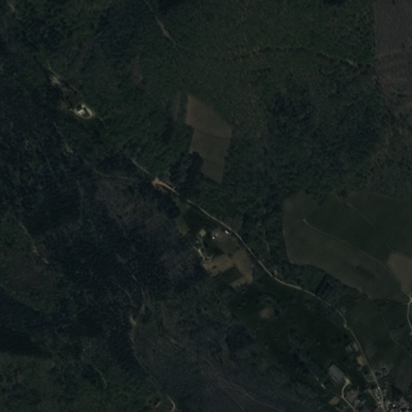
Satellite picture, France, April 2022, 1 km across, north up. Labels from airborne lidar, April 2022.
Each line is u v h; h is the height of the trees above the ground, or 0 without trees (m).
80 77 23
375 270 0
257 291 0
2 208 5
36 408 16
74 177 14
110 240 26
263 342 0
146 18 19
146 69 16
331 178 14
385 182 11
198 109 0
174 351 19
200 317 22
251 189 29
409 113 11
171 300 22
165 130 18
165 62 15
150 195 23
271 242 15
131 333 19
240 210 7
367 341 0
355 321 0
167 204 22
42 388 19
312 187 13
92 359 17
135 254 30
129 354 25
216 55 18
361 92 17
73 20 22
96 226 23
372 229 0
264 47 10
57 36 27
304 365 24
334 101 17
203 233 0
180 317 20
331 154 14
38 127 28
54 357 15
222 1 17
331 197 0
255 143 15
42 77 21
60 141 24
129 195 19
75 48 13
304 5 12
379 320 0
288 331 0
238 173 17
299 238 0
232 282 0
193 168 30
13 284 21
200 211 19
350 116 19
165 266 25
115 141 16
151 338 19
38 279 22
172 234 19
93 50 18
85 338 17
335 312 18
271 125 25
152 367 23
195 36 17
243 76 15
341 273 0
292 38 15
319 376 22
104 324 15
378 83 16
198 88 24
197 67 20
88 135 23
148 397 17
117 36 17
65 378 19
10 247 18
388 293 0
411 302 0
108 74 22
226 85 11
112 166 29
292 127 14
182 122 22
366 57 13
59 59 20
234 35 18
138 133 22
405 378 0
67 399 18
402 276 0
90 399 21
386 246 0
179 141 21
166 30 10
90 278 23
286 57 18
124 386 10
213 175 0
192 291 21
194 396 23
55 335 15
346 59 20
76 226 21
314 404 26
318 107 17
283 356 8
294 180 10
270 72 17
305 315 0
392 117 15
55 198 18
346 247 0
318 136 16
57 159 26
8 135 26
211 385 25
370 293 0
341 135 21
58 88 11
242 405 21
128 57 16
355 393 0
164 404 0
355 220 0
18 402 21
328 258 0
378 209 0
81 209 19
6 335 18
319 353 0
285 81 27
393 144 12
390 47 16
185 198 29
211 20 19
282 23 19
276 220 11
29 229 18
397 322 0
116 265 22
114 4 25
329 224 0
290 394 24
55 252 22
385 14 19
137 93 13
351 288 8
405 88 15
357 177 14
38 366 21
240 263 0
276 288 0
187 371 22
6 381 25
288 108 23
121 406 15
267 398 24
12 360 18
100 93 25
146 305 13
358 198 0
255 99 17
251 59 21
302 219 0
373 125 19
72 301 16
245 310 0
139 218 21
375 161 8
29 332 17
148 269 33
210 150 0
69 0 21
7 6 22
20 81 24
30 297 22
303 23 17
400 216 0
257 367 20
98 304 18
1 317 21
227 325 13
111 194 22
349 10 11
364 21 19
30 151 26
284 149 15
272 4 18
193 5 12
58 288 23
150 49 13
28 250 21
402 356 0
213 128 0
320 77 16
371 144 17
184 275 24
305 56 23
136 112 13
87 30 24
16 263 23
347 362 13
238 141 15
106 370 13
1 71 23
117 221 24
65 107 0
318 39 17
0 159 27
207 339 22
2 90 24
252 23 19
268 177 21
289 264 18
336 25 6
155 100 15
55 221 23
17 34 20
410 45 19
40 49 16
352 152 18
